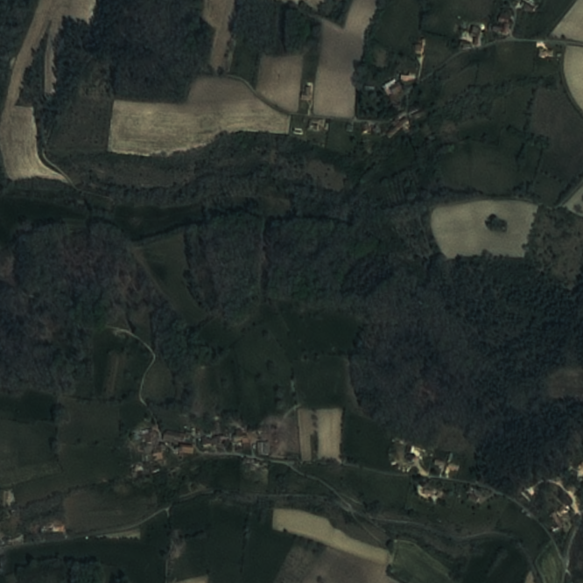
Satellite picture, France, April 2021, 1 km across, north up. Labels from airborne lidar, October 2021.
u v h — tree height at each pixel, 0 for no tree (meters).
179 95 19
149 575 0
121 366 0
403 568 0
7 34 20
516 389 24
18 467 0
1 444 0
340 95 0
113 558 0
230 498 11
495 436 17
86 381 6
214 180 19
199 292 18
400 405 21
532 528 0
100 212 18
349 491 0
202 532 9
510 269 6
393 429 18
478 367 21
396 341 19
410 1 0
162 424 13
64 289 8
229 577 0
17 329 25
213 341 0
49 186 17
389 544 11
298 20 21
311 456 0
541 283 10
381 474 0
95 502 0
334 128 0
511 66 0
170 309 9
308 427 0
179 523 0
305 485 0
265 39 27
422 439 20
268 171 6
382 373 25
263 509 10
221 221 23
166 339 23
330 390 0
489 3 0
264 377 9
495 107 0
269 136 15
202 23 10
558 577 0
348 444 0
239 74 0
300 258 20
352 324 0
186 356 23
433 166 8
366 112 10
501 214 0
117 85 16
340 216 33
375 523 11
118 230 21
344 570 0
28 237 19
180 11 23
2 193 14
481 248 0
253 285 21
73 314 29
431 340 27
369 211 28
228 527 0
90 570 23
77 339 19
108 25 22
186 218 0
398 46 0
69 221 0
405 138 14
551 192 0
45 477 0
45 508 14
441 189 11
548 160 0
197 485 17
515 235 0
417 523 0
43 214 0
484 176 0
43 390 11
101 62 20
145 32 21
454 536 0
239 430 0
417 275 16
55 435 0
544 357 11
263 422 0
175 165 10
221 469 6
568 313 15
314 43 18
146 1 21
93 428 0
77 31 14
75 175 0
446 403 20
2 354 20
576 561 0
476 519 0
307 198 10
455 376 16
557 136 0
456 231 0
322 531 0
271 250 24
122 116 0
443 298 20
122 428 9
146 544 0
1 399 0
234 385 0
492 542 0
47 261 20
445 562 0
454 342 24
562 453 17
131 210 0
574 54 0
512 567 0
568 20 0
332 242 25
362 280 13
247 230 22
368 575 0
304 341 0
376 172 12
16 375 21
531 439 23
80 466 0
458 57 0
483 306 10
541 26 0
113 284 24
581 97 0
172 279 0
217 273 19
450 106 15
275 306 12
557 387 0
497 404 18
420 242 10
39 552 0
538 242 0
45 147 8
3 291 19
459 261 12
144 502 0
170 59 21
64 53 19
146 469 12
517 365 16
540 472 21
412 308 23
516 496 10
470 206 0
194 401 22
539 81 9
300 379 0
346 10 12
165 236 11
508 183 0
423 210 16
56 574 0
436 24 0
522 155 8
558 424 23
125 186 10
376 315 22
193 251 22
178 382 14
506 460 23
